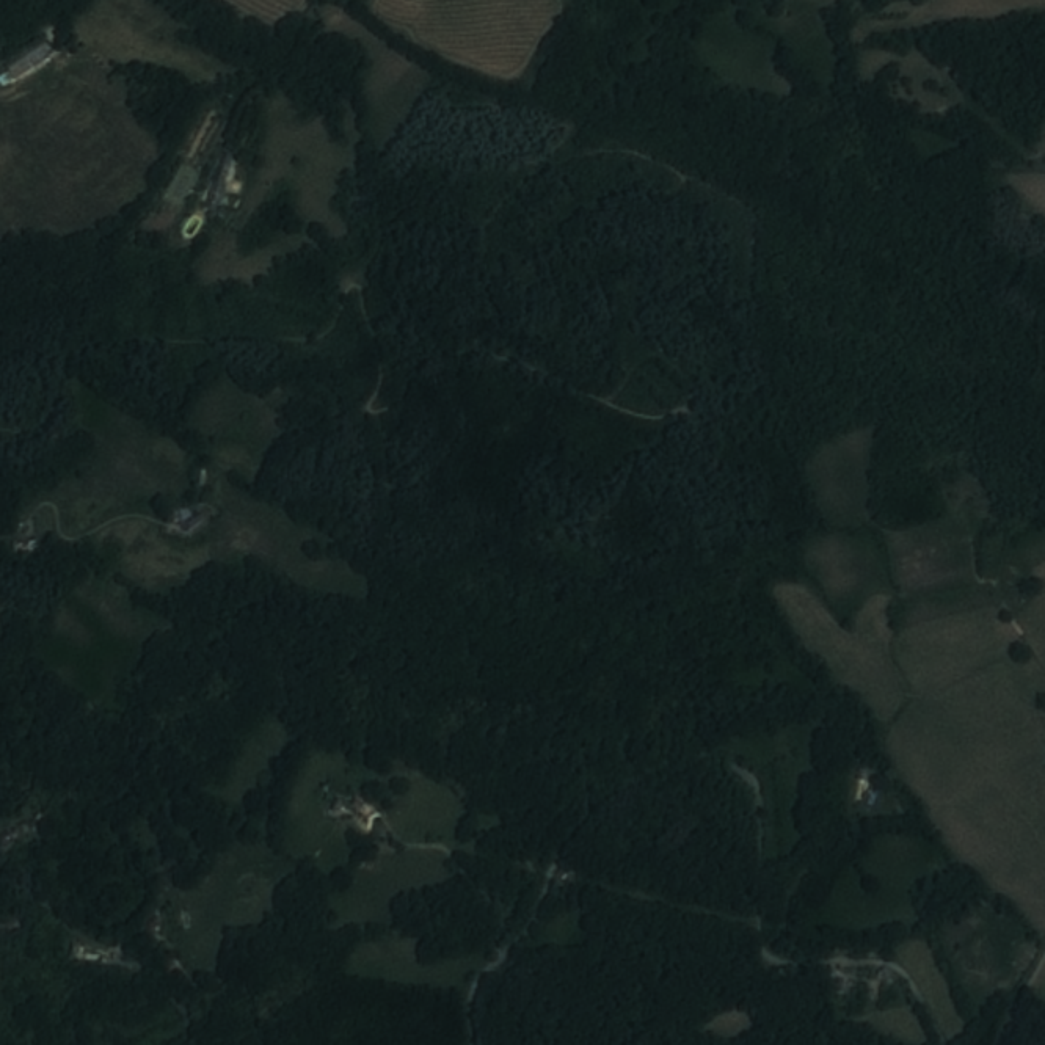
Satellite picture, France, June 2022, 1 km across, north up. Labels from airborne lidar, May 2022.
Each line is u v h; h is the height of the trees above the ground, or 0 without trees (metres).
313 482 27
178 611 24
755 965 27
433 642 24
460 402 13
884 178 18
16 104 0
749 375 13
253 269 0
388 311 8
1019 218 25
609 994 21
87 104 0
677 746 14
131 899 8
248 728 22
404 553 20
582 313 8
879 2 18
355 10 18
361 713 16
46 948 12
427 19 0
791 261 13
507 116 18
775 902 25
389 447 13
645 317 22
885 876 0
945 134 14
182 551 0
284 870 0
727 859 25
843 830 26
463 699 31
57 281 19
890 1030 0
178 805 15
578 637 24
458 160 21
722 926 23
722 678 11
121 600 0
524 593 26
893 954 8
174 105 18
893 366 11
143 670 21
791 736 0
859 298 14
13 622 18
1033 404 17
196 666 29
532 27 0
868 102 15
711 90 18
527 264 16
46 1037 15
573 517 27
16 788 11
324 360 12
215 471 0
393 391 9
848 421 8
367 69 13
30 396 23
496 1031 18
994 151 18
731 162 16
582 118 14
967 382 14
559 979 20
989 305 22
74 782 19
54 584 21
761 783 7
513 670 22
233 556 0
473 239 13
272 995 14
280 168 0
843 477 0
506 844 17
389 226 12
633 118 18
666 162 14
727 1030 0
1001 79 19
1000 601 0
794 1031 26
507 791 20
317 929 12
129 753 22
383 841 8
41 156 0
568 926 0
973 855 0
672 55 22
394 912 17
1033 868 0
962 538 0
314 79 23
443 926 15
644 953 23
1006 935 0
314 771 0
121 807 18
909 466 7
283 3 0
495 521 19
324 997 17
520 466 12
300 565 0
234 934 18
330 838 0
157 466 0
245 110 15
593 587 17
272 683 23
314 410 12
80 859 22
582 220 21
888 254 13
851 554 0
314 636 30
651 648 21
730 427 18
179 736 18
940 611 0
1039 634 0
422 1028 18
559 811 20
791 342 17
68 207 0
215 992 15
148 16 0
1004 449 19
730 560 22
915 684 0
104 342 7
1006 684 0
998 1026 9
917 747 0
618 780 23
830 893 14
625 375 13
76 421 17
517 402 7
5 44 14
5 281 18
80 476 11
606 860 25
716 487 27
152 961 20
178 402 19
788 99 9
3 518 17
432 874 0
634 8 9
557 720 16
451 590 19
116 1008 13
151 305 9
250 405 0
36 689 13
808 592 0
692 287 25
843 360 16
